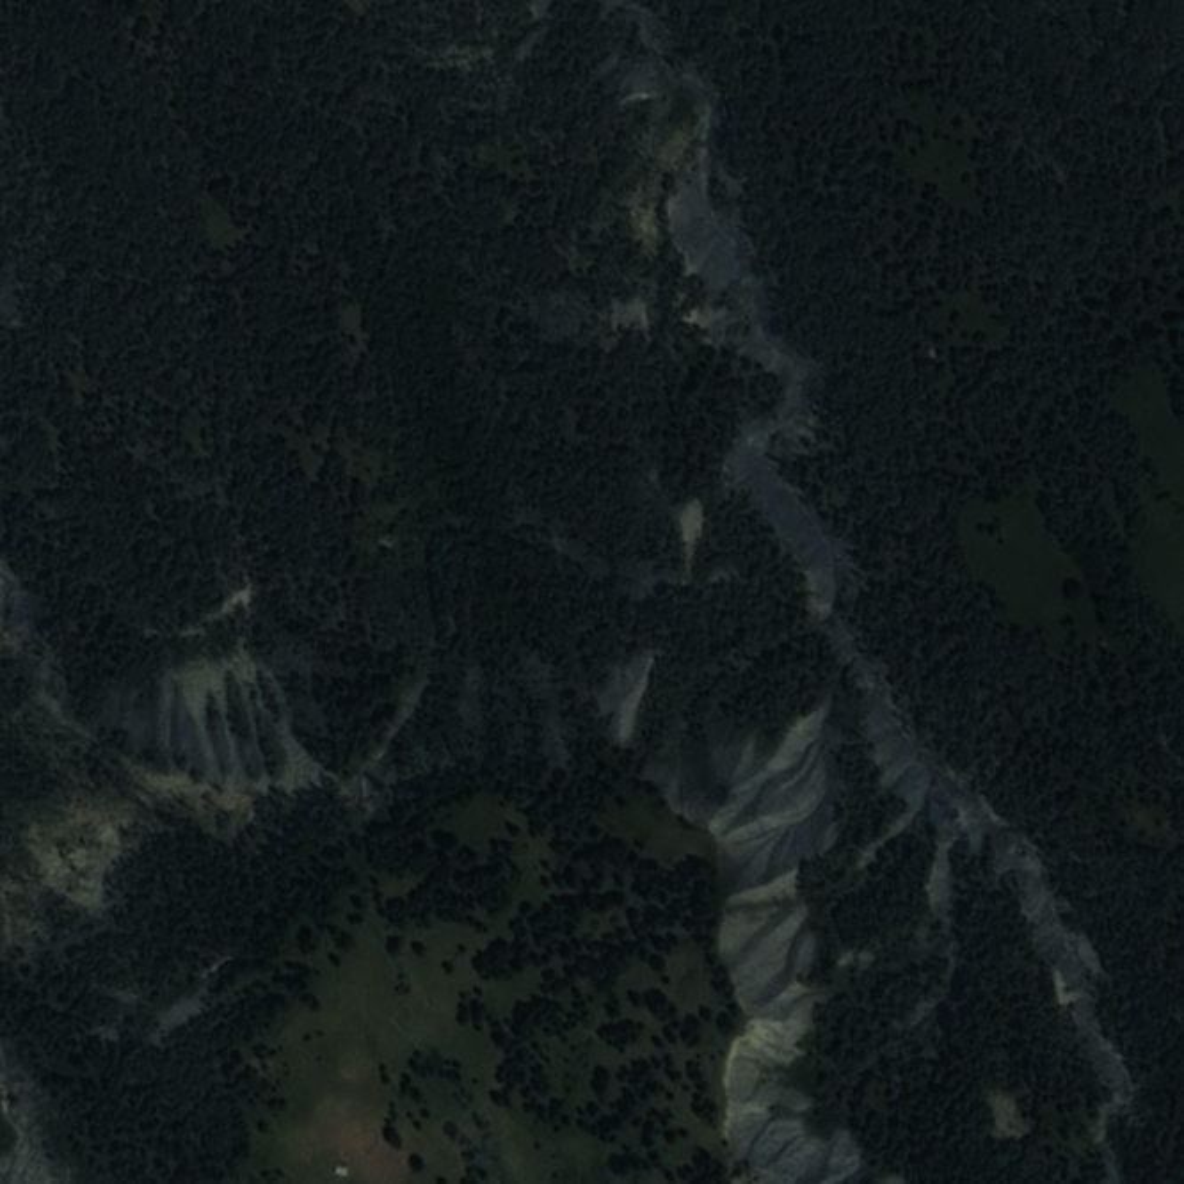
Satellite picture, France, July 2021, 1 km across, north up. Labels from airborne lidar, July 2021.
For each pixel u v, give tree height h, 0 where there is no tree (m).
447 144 12
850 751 9
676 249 8
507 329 8
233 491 14
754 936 0
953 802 0
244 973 9
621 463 9
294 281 13
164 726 0
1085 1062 12
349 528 14
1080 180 12
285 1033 0
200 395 8
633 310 0
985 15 17
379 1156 0
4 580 0
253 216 12
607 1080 19
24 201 8
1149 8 14
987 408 17
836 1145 0
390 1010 0
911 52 16
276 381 16
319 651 10
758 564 11
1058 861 9
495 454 10
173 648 7
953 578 11
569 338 6
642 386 13
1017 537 0
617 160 14
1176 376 10
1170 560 0
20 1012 8
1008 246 14
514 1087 13
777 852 0
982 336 12
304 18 14
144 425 9
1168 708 14
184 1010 0
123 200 15
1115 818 6
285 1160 0
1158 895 15
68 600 18
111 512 16
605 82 8
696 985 0
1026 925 10
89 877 0
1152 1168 12
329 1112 0
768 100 17
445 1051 0
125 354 13
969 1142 16
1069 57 19
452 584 16
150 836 21
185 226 12
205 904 13
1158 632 11
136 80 12
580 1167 0
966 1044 12
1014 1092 9
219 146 12
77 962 9
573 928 14
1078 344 16
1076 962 0
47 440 17
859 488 15
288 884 18
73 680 13
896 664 13
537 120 8
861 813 9
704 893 17
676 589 7
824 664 10
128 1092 16
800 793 0
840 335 16
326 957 0
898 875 17
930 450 11
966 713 16
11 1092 0
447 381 9
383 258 7
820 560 0
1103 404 18
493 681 6
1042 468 9
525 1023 21
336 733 9
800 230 16
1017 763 12
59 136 19
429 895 14
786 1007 0
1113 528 17
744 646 11
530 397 16
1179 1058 11
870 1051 9
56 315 13
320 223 11
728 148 7
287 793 17
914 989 11
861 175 13
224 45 14
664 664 9
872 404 15
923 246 8
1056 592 0
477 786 15
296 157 12
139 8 14
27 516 15
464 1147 16
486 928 10
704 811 0
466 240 14
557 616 8
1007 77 18
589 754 13
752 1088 0
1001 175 15
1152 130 15
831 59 16
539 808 12
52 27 19
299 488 17
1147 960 14
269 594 10
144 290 18
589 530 7
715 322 0
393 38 13
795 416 0
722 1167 12
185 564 16
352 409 9
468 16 8
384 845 18
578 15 12
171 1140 15
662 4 6
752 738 0
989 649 17
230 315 15
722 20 16
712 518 7
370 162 13
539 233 12
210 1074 10
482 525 10
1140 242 15
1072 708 10
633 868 11
